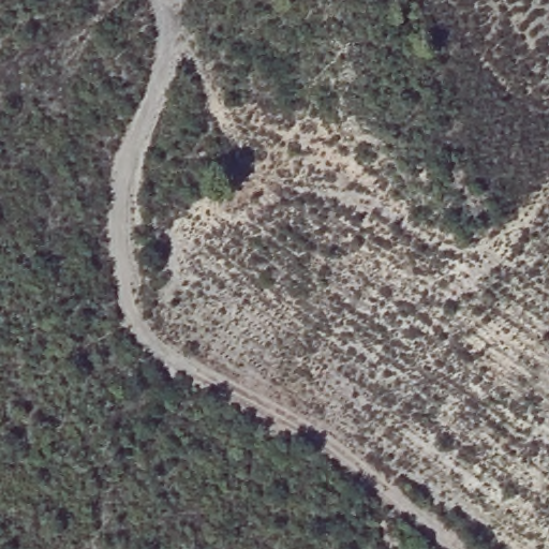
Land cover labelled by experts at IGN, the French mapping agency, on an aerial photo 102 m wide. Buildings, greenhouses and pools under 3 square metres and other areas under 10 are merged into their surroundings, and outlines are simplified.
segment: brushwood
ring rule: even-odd
[[[148,320],[150,328],[157,332],[163,328],[159,292],[172,279],[167,259],[172,253],[172,242],[167,234],[174,221],[182,219],[191,204],[197,199],[232,199],[234,193],[242,189],[242,182],[253,172],[255,152],[247,146],[236,146],[229,137],[225,137],[225,133],[219,127],[219,120],[210,114],[202,77],[191,60],[182,58],[178,62],[176,75],[165,92],[165,105],[159,114],[152,142],[144,157],[144,182],[139,189],[142,225],[133,229],[135,259],[139,264],[142,275],[142,285],[133,290],[133,294],[137,296],[135,302],[142,307],[144,320]]]
[[[508,549],[504,543],[495,540],[493,532],[487,525],[474,521],[459,506],[446,508],[444,504],[437,504],[429,487],[407,476],[401,476],[395,485],[401,489],[401,493],[410,498],[416,506],[437,515],[437,519],[465,543],[468,549]]]
[[[307,109],[311,116],[322,118],[324,127],[332,122],[341,124],[339,112],[347,112],[356,118],[358,124],[371,127],[371,135],[388,131],[405,142],[405,157],[401,157],[399,163],[403,163],[410,174],[427,172],[429,176],[427,182],[410,180],[414,189],[431,193],[440,199],[455,199],[452,208],[444,214],[433,214],[429,206],[414,208],[410,212],[414,225],[440,227],[444,232],[455,234],[457,244],[470,247],[478,244],[483,238],[498,236],[500,229],[506,227],[506,223],[517,219],[521,206],[530,206],[536,212],[536,221],[528,229],[538,232],[538,238],[530,240],[532,247],[538,249],[540,244],[549,242],[549,0],[184,0],[180,11],[182,26],[189,28],[189,32],[197,34],[199,58],[212,60],[214,73],[223,81],[221,92],[227,107],[255,103],[264,109],[266,122],[279,124],[283,129],[294,127],[296,109]]]
[[[146,94],[154,64],[159,30],[150,0],[0,0],[0,549],[446,549],[437,543],[435,532],[431,528],[418,523],[414,515],[401,513],[392,504],[384,502],[371,476],[365,476],[362,472],[352,472],[339,463],[339,459],[330,457],[324,448],[326,435],[322,431],[300,427],[296,433],[281,431],[272,435],[272,418],[262,418],[257,416],[255,407],[242,407],[240,403],[236,403],[232,399],[232,388],[227,384],[221,384],[202,388],[193,384],[193,377],[187,371],[169,375],[163,360],[157,358],[146,345],[142,345],[129,328],[122,326],[124,313],[120,309],[118,298],[114,259],[109,255],[107,214],[114,202],[114,157],[120,150],[124,133]]]

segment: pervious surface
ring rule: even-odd
[[[142,275],[139,264],[135,259],[133,229],[142,225],[139,189],[144,182],[144,157],[152,142],[159,114],[165,105],[165,92],[176,75],[178,62],[182,58],[191,60],[202,77],[210,114],[219,120],[219,127],[225,133],[225,137],[229,137],[238,129],[236,122],[229,118],[227,107],[221,92],[223,81],[214,73],[212,60],[199,58],[197,34],[189,32],[189,28],[182,26],[180,11],[184,0],[150,0],[159,30],[154,64],[146,94],[124,133],[120,150],[114,157],[114,202],[107,214],[109,255],[114,259],[118,298],[120,309],[124,313],[122,326],[129,328],[142,345],[146,345],[157,358],[163,360],[169,375],[187,371],[193,377],[193,384],[202,388],[221,384],[223,373],[202,365],[193,356],[180,354],[174,345],[161,341],[157,332],[150,328],[148,320],[144,320],[142,307],[135,302],[137,296],[133,294],[133,290],[142,285]]]

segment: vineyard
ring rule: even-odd
[[[435,532],[437,543],[446,549],[468,549],[465,543],[437,519],[437,515],[416,506],[410,498],[401,493],[401,489],[395,485],[401,476],[407,476],[429,487],[437,504],[444,504],[446,508],[459,506],[474,521],[487,525],[493,532],[495,540],[504,543],[508,549],[549,549],[549,242],[540,244],[538,249],[532,247],[530,240],[538,238],[538,232],[528,229],[536,221],[536,212],[530,206],[521,206],[517,219],[506,223],[506,227],[500,229],[498,236],[483,238],[478,244],[470,247],[457,244],[455,234],[444,232],[440,227],[414,225],[410,212],[414,208],[429,206],[433,214],[444,214],[452,208],[455,199],[440,199],[431,193],[414,189],[410,180],[427,182],[429,176],[427,172],[410,174],[403,163],[399,163],[401,157],[405,157],[405,142],[388,131],[371,135],[371,127],[358,124],[356,118],[347,112],[339,112],[341,124],[332,122],[324,127],[322,118],[311,116],[307,109],[296,109],[294,127],[283,129],[279,124],[266,122],[264,109],[255,103],[227,107],[229,118],[236,122],[238,129],[229,137],[236,146],[247,146],[255,152],[253,172],[242,182],[242,189],[234,193],[232,199],[197,199],[191,204],[182,219],[174,221],[167,234],[172,242],[172,253],[167,259],[172,279],[159,292],[163,328],[157,332],[161,341],[174,345],[180,354],[193,356],[202,365],[223,373],[221,384],[227,384],[232,388],[232,399],[236,403],[240,403],[242,407],[255,407],[257,416],[262,418],[272,418],[272,435],[281,431],[296,433],[300,427],[322,431],[326,435],[324,448],[330,457],[339,459],[339,463],[352,472],[362,472],[365,476],[371,476],[384,502],[392,504],[401,513],[414,515],[418,523],[431,528]]]

